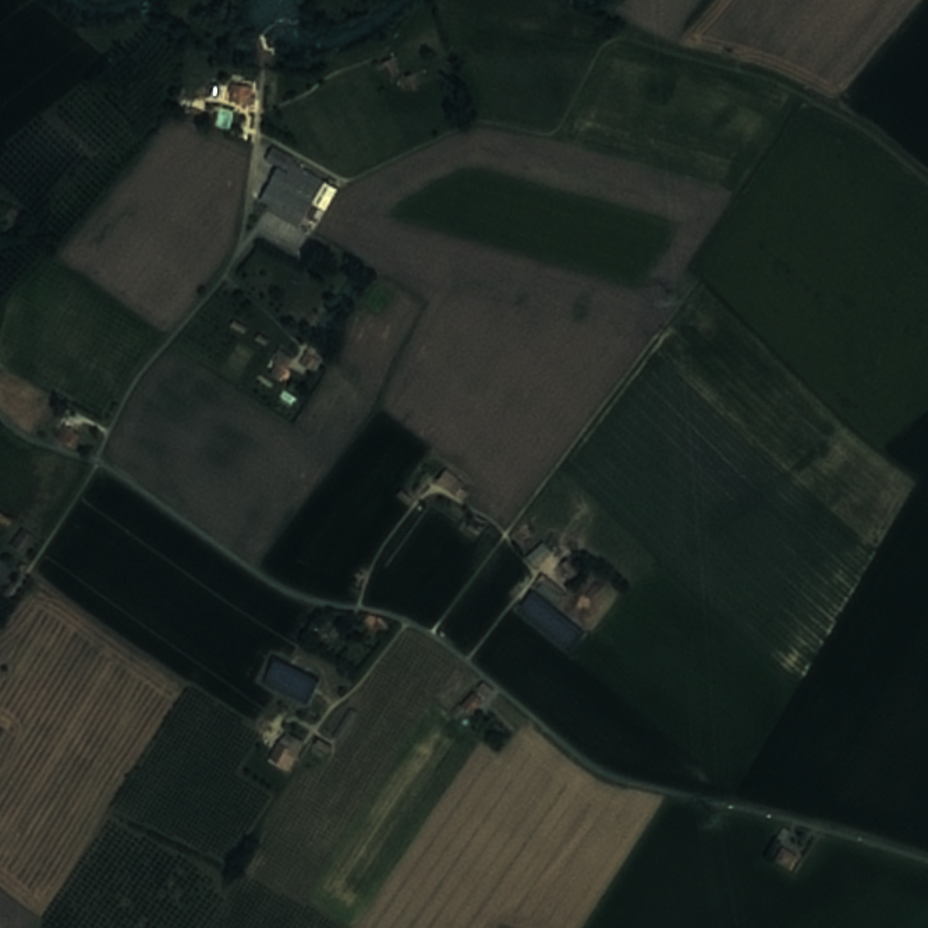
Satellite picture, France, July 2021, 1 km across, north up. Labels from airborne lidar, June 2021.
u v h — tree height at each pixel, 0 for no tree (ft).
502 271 0
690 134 0
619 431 0
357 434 0
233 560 0
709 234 0
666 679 0
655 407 0
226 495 0
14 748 0
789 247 0
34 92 0
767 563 0
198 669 0
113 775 0
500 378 0
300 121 0
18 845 0
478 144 0
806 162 0
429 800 0
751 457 0
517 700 0
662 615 0
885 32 0
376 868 0
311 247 31
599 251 0
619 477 0
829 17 0
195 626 0
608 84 0
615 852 0
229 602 0
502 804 0
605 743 0
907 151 0
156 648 0
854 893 0
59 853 0
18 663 0
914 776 0
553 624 0
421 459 0
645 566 0
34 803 0
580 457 0
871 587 0
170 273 0
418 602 0
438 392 0
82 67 0
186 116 52
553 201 0
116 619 0
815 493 0
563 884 0
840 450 0
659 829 0
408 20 0
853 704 0
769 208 0
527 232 0
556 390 0
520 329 0
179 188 0
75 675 0
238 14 31
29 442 0
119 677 0
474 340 0
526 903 0
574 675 0
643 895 0
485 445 0
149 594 0
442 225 0
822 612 0
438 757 0
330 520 0
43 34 0
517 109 0
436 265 0
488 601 0
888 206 0
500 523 0
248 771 27
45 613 0
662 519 0
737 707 0
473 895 0
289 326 49
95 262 0
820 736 0
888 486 0
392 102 0
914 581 0
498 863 0
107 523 0
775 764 0
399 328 0
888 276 0
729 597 0
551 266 0
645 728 0
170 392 0
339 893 0
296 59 77
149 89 82
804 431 0
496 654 0
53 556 0
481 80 0
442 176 0
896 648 0
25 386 0
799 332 0
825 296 0
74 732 0
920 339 0
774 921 0
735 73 0
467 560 0
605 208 0
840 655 0
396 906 0
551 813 0
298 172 0
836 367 0
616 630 0
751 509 0
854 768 0
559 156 0
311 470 0
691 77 0
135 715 0
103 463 0
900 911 0
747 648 0
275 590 0
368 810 0
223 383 0
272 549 0
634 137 0
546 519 0
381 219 0
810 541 0
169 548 0
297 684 0
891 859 0
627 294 0
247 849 63
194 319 0
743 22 0
